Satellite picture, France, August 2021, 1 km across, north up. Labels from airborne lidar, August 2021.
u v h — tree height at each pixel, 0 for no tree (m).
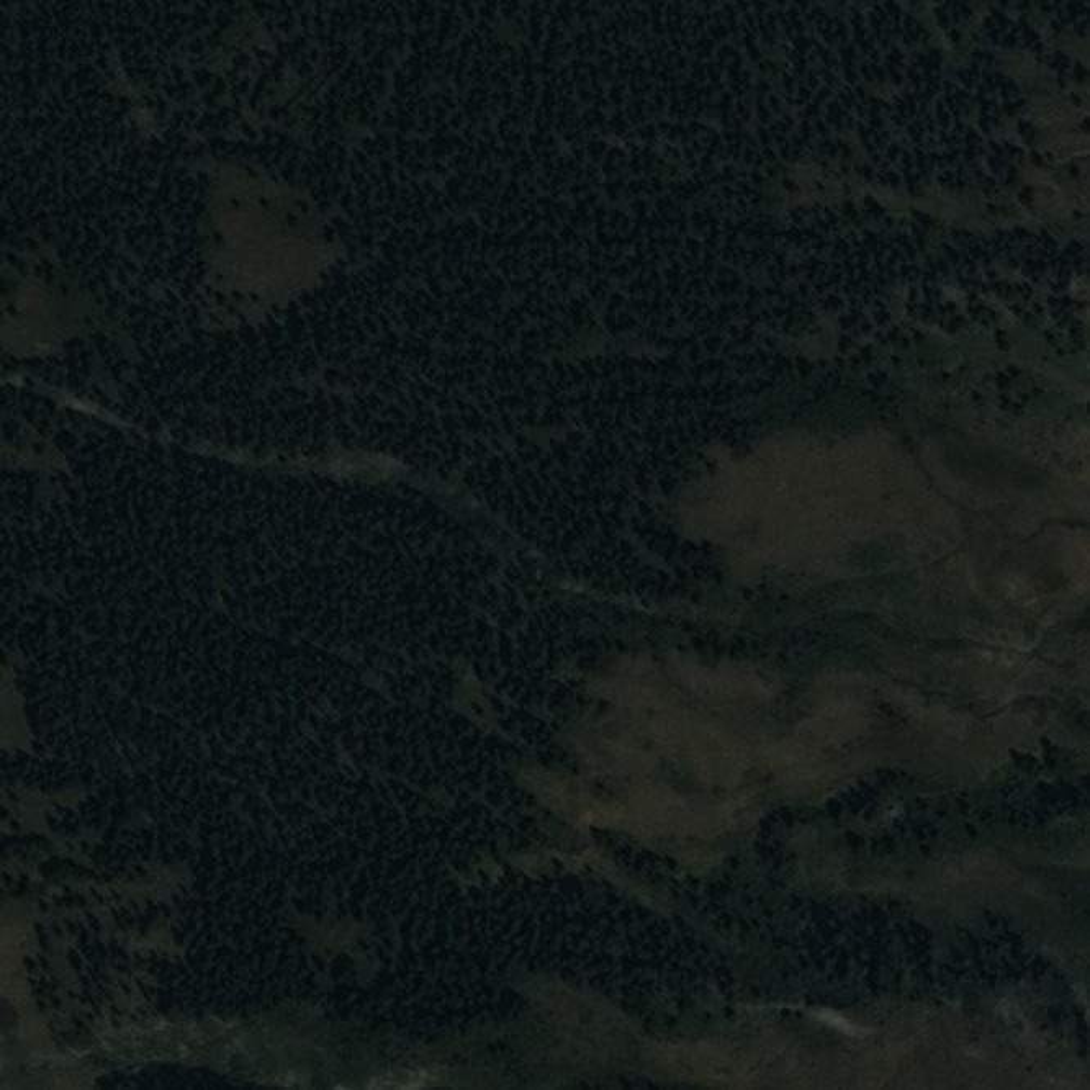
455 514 0
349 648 21
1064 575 0
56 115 15
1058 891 0
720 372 13
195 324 15
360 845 21
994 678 0
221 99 21
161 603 23
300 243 0
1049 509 0
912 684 0
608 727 0
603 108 14
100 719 16
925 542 0
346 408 14
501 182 21
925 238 12
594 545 13
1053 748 9
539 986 0
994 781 0
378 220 16
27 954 0
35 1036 0
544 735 21
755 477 0
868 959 12
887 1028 0
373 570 18
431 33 10
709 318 16
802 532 0
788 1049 0
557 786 0
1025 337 0
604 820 0
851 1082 0
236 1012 19
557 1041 0
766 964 0
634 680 0
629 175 6
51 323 0
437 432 13
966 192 12
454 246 15
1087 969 0
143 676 24
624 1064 0
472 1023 16
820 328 7
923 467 0
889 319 17
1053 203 0
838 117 15
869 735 0
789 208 0
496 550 0
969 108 18
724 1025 0
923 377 0
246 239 0
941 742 0
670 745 0
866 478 0
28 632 15
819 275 19
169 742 22
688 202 14
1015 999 0
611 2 14
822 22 16
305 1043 0
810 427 0
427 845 20
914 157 12
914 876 0
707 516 0
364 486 13
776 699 0
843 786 0
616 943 13
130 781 22
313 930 0
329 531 17
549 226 12
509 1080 0
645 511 6
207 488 18
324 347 18
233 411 15
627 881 0
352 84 16
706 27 19
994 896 0
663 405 10
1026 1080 0
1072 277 8
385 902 13
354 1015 21
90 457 15
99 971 22
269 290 0
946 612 0
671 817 0
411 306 15
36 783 14
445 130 18
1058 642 0
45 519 20
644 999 20
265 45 0
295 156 22
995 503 0
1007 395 11
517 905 11
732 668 0
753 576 0
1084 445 0
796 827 15
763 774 0
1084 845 0
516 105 18
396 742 12
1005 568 0
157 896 0
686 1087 0
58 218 10
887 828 0
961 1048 0
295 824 24
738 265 13
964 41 20
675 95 6
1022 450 0
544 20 18
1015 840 0
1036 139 18
